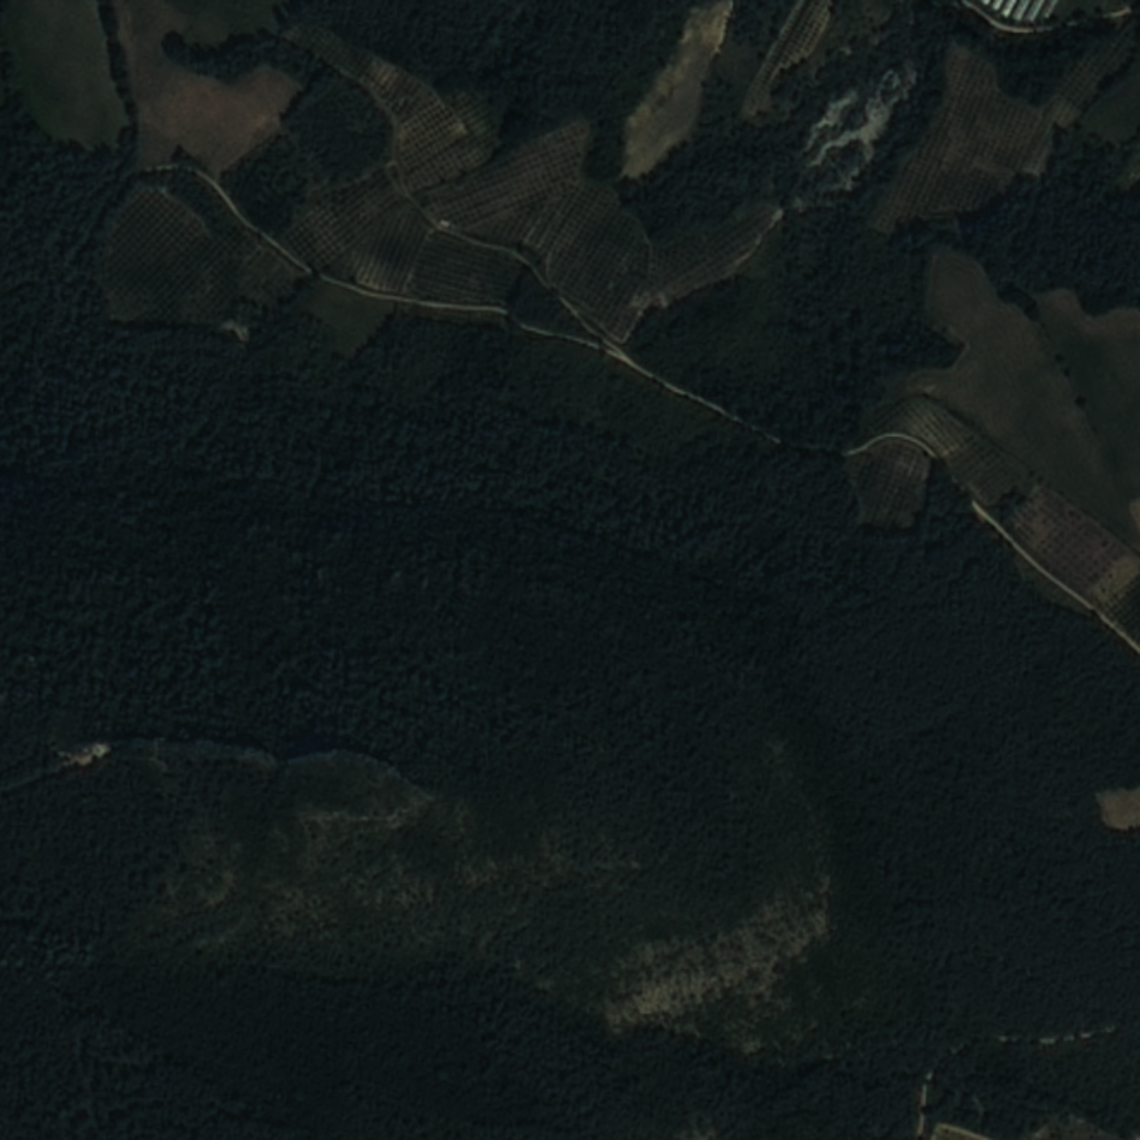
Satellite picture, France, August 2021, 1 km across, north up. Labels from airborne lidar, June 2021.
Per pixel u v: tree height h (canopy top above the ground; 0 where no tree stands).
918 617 13
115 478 10
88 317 10
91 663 7
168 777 7
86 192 14
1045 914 9
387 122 10
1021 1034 10
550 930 8
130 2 0
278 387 9
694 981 0
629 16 11
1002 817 8
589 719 6
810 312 9
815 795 8
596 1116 13
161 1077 17
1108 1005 10
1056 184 10
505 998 7
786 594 14
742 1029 7
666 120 0
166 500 14
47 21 0
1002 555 13
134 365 13
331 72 10
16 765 10
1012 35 6
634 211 13
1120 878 14
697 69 0
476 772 10
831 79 15
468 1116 7
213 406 13
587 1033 8
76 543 7
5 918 10
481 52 15
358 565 8
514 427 16
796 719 13
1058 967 12
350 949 9
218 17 0
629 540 15
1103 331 0
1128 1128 11
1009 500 8
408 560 8
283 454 15
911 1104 11
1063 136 15
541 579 10
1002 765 10
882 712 14
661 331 11
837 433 16
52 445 14
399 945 7
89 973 9
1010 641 14
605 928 8
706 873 8
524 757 7
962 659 11
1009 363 0
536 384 7
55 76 0
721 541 9
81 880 11
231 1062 11
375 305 0
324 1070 10
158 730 6
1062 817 7
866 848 10
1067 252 16
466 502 16
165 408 10
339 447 15
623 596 10
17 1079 20
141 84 0
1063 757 10
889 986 8
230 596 9
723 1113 7
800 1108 6
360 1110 8
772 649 13
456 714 15
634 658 7
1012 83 7
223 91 0
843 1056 9
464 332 8
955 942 11
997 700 8
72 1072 15
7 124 8
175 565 6
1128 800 0
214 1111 14
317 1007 11
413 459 11
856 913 8
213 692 8
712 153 14
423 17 13
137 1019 10
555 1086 17
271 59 9
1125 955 14
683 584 11
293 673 7
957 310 0
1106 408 0
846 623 11
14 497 14
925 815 6
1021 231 15
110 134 0
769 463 17
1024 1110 13
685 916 8
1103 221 15
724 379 7
